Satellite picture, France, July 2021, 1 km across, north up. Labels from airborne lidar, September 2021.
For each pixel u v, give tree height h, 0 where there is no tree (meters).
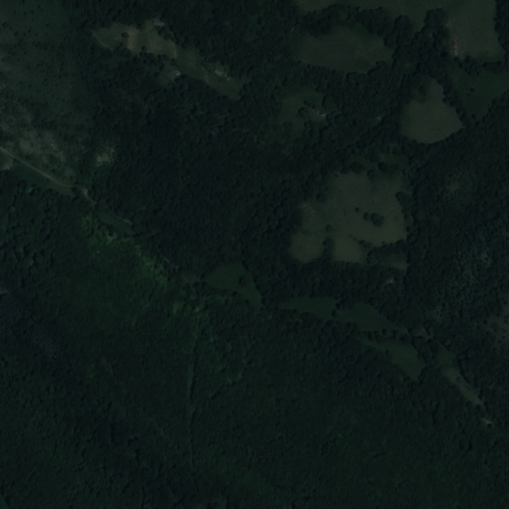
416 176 21
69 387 33
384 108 25
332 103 18
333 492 26
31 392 29
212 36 23
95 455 28
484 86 0
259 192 10
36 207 24
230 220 25
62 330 28
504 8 25
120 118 12
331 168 31
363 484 23
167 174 26
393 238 0
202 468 17
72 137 8
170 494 28
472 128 9
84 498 26
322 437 26
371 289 25
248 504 27
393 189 0
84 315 20
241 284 11
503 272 8
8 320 29
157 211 11
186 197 23
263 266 16
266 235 19
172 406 17
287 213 19
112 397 19
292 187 37
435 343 15
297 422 25
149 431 16
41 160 0
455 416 24
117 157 7
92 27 15
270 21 20
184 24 27
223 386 14
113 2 14
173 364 17
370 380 29
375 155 28
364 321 0
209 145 20
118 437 33
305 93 0
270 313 12
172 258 9
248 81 8
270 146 22
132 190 11
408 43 17
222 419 18
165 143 23
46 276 27
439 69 24
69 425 25
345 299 29
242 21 16
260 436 21
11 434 24
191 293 21
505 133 16
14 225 31
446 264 23
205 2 16
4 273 28
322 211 0
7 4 0
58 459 25
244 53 19
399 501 24
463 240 23
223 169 24
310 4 0
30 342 35
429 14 19
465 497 15
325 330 22
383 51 0
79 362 27
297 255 0
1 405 19
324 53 0
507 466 31
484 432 27
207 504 10
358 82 24
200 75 0
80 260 23
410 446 25
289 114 0
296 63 21
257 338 20
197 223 17
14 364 31
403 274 8
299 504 30
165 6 21
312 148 12
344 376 27
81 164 11
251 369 23
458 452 23
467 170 11
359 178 0
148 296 20
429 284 21
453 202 11
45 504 21
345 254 0
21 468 23
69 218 26
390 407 27
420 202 23
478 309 18
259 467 25
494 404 16
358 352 27
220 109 23
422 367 0
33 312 23
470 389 7
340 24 15
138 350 13
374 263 21
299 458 24
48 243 26
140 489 28
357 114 23
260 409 26
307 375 17
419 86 15
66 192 0
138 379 15
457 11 0
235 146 21
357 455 25
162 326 18
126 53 14
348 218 0
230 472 24
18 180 23
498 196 19
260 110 19
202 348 15
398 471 25
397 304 16
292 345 10
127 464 28
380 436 25
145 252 23
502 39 14
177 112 22
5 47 7
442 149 20
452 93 25
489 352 14
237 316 16
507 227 16
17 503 26
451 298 20
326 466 22
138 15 22
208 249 10
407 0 0
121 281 16
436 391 31
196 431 15
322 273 33
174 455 16
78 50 8
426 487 24
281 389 24
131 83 26
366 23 24
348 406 23
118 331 17
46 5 0
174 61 11
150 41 0
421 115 0
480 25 0
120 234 17
